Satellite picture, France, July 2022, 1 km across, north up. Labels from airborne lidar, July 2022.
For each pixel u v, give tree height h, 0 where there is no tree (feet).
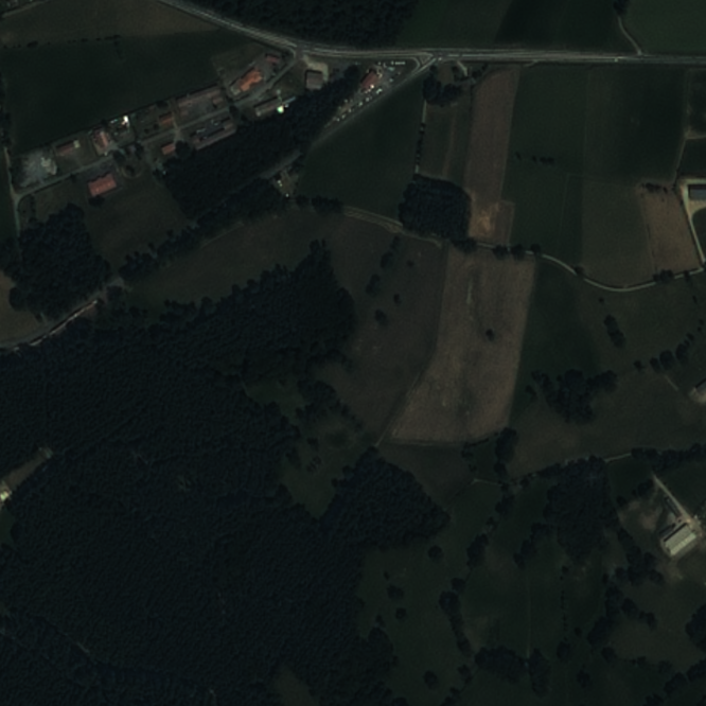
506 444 73
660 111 0
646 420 0
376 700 31
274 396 0
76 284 77
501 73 0
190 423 94
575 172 0
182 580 77
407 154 0
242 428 100
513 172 0
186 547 97
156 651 81
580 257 0
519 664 79
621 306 0
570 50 0
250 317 71
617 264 0
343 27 50
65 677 88
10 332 0
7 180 0
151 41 0
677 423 0
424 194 76
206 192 48
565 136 0
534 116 0
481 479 0
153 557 77
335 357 68
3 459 78
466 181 0
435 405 0
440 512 72
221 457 85
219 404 89
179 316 82
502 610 0
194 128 0
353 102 0
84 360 83
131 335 74
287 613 73
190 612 79
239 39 0
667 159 0
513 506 53
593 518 67
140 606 88
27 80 0
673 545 0
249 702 79
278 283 76
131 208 0
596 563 0
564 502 64
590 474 77
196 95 0
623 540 70
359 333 0
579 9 0
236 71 0
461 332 0
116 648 77
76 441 72
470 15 0
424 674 0
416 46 0
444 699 0
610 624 69
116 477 87
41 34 0
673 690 72
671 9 0
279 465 88
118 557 73
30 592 92
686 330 0
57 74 0
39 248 57
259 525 80
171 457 93
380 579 0
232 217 68
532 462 0
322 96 67
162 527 106
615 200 0
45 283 62
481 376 0
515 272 0
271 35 0
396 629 0
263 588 66
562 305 0
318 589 74
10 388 99
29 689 84
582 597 0
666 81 0
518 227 0
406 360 0
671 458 68
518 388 0
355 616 56
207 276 0
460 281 0
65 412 82
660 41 0
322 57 0
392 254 42
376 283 54
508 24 0
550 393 83
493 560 0
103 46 0
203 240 53
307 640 66
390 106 0
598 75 0
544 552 0
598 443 0
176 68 0
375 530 101
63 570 94
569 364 0
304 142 68
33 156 0
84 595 80
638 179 0
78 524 89
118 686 124
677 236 0
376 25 47
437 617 0
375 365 0
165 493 94
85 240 84
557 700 0
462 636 51
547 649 0
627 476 0
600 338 0
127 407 53
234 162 52
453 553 0
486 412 0
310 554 71
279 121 49
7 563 82
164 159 0
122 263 0
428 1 0
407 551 0
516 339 0
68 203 0
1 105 29
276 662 43
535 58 0
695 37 0
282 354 79
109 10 0
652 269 0
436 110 0
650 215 0
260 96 0
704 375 0
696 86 0
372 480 99
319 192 0
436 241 0
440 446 0
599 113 0
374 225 0
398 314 0
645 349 0
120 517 75
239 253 0
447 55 0
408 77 0
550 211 0
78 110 0
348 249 0
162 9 0
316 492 0
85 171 0
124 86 0
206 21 0
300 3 47
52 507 88
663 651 0
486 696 0
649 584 0
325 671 75
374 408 0
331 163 0
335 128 0
